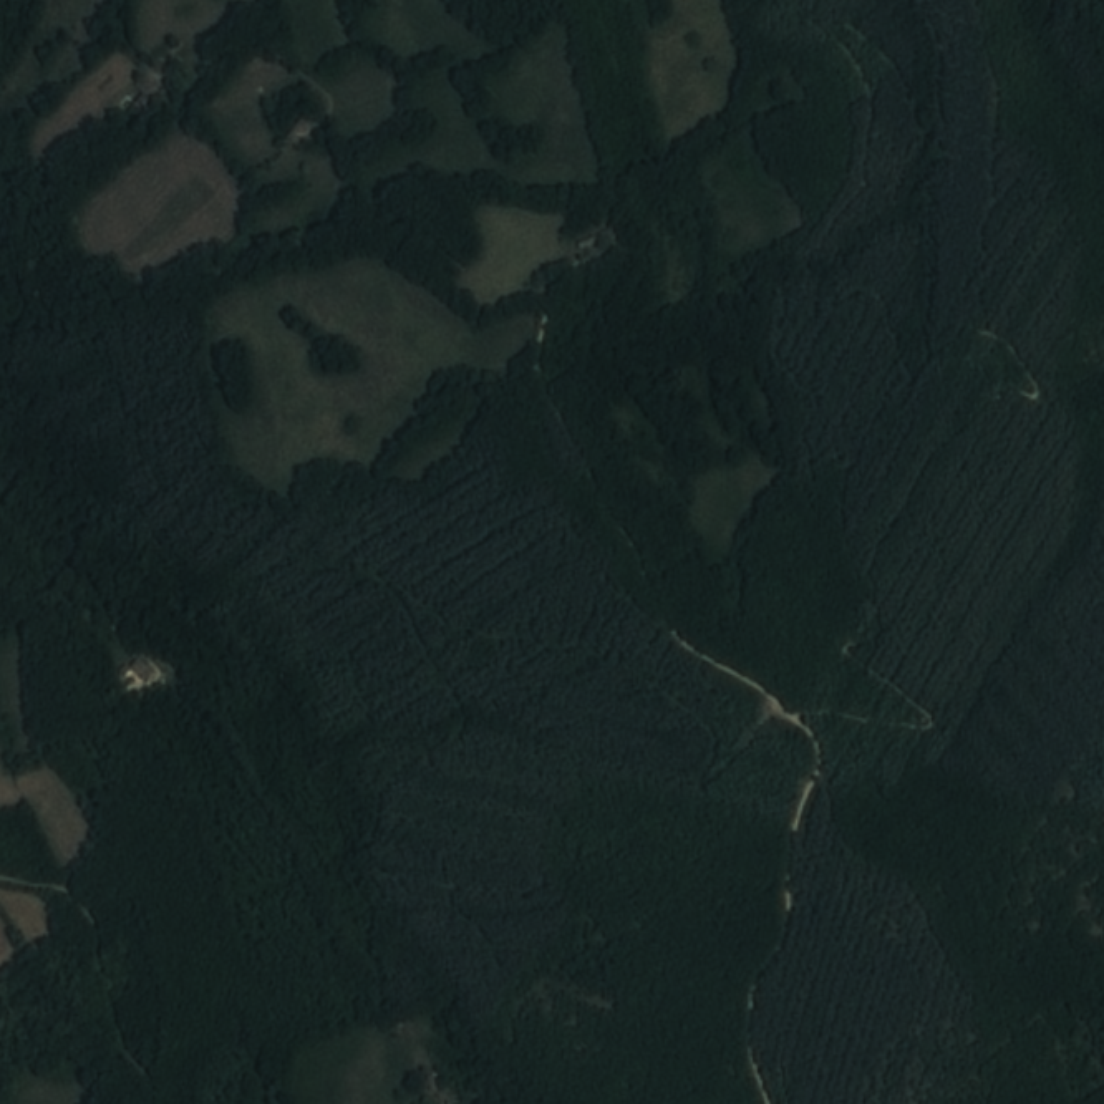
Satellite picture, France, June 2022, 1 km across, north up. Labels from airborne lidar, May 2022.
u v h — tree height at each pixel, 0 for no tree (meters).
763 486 0
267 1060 22
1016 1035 10
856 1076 15
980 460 12
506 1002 10
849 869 16
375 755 16
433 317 0
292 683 20
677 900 9
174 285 27
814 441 16
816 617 15
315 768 18
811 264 18
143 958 11
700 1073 13
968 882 14
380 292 0
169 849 19
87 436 23
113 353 21
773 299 21
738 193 0
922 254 21
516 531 19
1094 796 14
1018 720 18
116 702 14
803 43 17
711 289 17
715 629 14
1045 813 8
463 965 18
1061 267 19
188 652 11
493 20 21
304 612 20
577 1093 14
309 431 0
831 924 19
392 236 22
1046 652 21
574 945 12
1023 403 12
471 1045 15
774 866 12
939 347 11
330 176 0
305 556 16
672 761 18
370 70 0
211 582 13
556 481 16
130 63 0
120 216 0
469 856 18
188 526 19
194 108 20
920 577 12
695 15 0
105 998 15
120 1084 18
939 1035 12
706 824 11
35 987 17
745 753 8
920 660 14
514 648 19
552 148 0
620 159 7
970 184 17
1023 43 7
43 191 19
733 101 12
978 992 10
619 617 17
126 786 20
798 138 16
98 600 8
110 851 17
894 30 17
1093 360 7
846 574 19
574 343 17
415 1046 0
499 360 0
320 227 21
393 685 19
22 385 25
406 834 17
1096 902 7
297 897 19
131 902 12
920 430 16
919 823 14
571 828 9
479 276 0
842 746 8
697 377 0
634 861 13
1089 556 21
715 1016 11
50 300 21
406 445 21
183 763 21
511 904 20
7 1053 18
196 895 20
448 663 17
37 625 20
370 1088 0
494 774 15
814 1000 13
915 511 11
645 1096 11
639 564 13
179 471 16
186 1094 20
